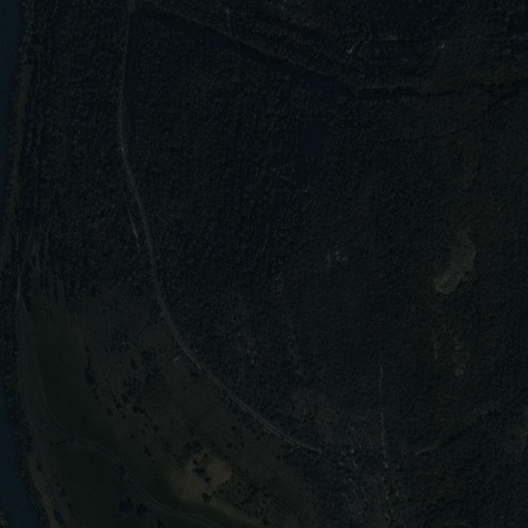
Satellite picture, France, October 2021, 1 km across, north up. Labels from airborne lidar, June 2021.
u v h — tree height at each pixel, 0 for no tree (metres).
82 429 0
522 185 14
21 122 0
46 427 0
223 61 17
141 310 0
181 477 0
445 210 14
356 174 7
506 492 12
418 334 14
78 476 0
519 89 12
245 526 0
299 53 10
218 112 15
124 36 16
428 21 28
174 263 14
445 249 9
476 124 16
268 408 10
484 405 8
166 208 8
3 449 0
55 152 11
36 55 12
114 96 12
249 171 18
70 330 0
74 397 0
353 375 6
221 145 17
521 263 12
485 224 14
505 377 9
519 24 8
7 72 0
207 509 0
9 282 7
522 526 9
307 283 11
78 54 14
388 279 14
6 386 11
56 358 0
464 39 11
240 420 8
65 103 6
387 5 22
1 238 13
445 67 6
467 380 9
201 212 15
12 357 9
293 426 10
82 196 7
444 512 15
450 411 16
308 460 9
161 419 0
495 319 12
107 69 18
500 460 9
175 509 0
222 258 17
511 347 9
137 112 16
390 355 9
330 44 7
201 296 11
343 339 7
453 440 7
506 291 8
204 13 15
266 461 0
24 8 11
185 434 0
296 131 14
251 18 15
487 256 13
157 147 13
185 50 17
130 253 8
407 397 12
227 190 13
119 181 15
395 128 19
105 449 0
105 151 13
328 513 7
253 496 10
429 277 10
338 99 14
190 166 14
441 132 14
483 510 13
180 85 16
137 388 9
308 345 8
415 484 13
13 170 12
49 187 8
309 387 8
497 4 12
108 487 0
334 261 6
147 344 0
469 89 10
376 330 5
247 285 12
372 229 7
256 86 17
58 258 12
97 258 17
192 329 8
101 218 10
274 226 16
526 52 19
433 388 21
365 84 13
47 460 0
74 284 17
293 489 0
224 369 10
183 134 18
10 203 7
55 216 10
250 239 13
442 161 15
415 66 11
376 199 8
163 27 17
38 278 0
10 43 0
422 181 16
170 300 9
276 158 10
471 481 10
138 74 16
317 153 8
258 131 18
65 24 13
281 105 19
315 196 7
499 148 19
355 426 7
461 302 15
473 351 14
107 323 0
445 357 11
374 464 7
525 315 8
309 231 11
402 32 32
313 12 10
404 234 17
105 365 0
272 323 8
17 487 0
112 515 0
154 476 0
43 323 0
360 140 18
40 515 14
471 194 16
